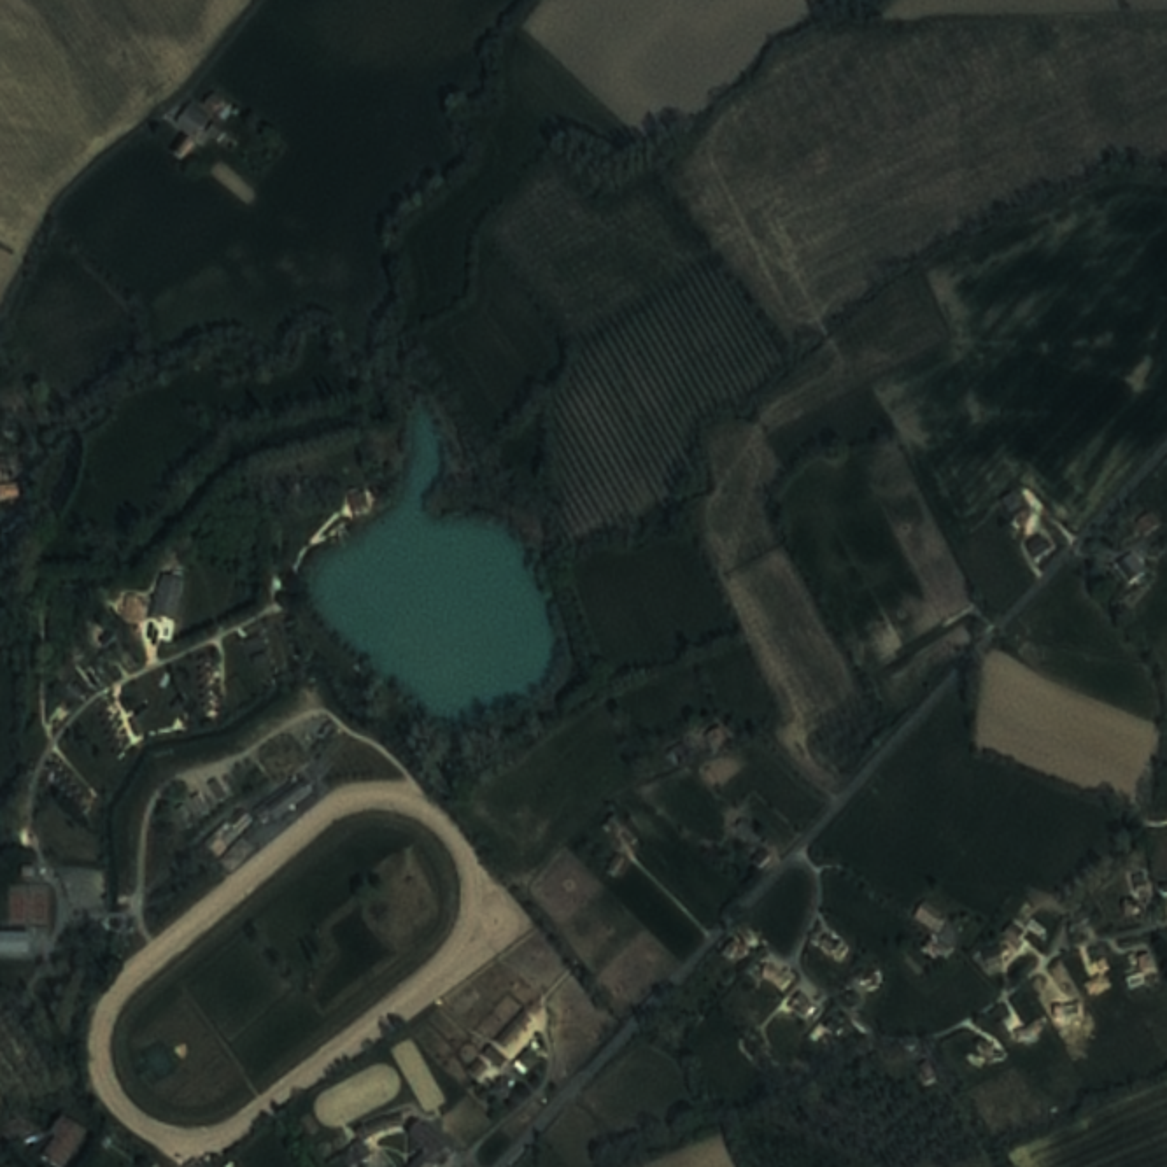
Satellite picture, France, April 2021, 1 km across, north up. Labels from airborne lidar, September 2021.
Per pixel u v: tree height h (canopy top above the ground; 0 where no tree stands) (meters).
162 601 0
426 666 0
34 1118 9
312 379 0
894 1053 18
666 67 0
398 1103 0
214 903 0
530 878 0
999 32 0
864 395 0
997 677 0
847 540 0
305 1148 17
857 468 0
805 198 0
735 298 25
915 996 0
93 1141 11
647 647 0
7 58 0
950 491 0
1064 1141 0
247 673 0
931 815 0
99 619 18
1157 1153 0
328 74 0
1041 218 0
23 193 0
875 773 0
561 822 0
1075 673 0
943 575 0
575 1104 0
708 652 16
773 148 0
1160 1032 0
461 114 17
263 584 14
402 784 0
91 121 0
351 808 0
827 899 0
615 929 0
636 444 28
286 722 0
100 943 23
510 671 0
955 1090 15
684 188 0
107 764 0
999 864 0
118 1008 0
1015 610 0
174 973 0
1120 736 0
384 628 0
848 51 0
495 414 0
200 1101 0
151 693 0
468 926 0
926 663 0
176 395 0
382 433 12
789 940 0
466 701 0
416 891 0
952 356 0
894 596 0
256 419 20
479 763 25
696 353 28
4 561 17
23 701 13
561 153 27
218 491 17
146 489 0
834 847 0
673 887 0
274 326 0
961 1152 11
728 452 0
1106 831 0
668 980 0
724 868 12
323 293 0
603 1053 0
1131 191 0
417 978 0
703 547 13
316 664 10
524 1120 0
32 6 0
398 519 0
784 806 0
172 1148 0
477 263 6
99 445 0
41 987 0
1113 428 0
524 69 0
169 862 0
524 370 0
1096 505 0
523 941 0
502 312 0
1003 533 10
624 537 14
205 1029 0
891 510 0
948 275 0
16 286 0
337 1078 10
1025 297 0
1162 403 0
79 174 0
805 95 0
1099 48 0
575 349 19
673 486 20
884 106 0
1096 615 0
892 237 0
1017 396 0
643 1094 0
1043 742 0
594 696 14
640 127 0
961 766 0
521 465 0
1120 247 0
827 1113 18
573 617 12
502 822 0
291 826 0
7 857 19
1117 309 0
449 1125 0
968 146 0
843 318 9
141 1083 0
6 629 19
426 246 0
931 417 0
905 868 0
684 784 0
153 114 0
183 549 18
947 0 0
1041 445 0
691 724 15
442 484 11
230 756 0
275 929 0
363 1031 0
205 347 16
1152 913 10
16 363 14
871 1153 18
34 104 0
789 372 6
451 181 16
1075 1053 0
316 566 13
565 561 17
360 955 0
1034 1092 0
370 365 14
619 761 0
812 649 0
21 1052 25
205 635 10
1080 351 0
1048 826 0
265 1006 0
